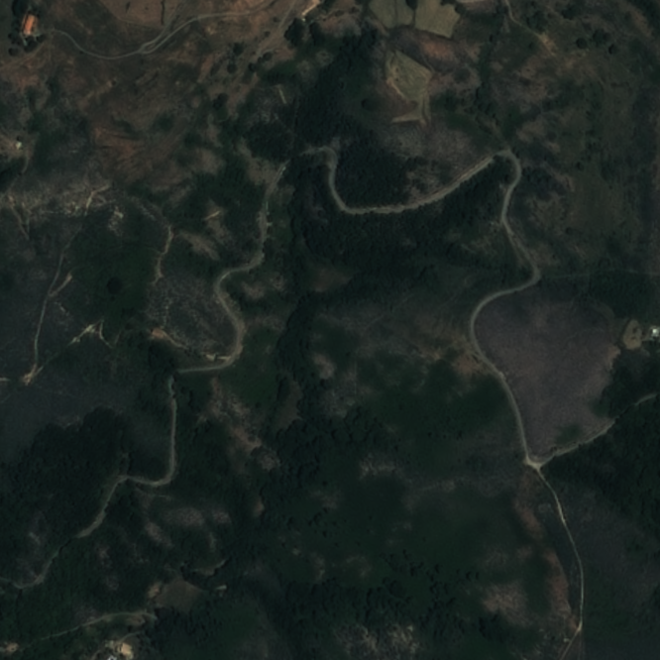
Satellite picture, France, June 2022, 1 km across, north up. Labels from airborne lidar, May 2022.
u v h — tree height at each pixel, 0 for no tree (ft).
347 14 0
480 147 0
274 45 0
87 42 0
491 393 0
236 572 38
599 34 31
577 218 0
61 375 0
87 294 0
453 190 23
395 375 0
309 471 49
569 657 0
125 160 0
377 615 31
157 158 0
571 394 0
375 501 0
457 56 0
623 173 0
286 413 0
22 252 0
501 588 0
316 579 0
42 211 0
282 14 0
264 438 22
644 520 26
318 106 56
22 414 0
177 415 20
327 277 0
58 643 29
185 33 0
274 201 0
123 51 0
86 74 0
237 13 0
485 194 27
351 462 0
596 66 0
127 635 0
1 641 37
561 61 0
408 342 0
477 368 0
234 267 37
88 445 60
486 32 0
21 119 0
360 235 48
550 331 0
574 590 0
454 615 35
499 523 0
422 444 0
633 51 0
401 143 0
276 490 67
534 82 0
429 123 0
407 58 0
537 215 0
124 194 0
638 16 0
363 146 39
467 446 0
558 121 0
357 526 0
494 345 0
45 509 35
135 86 0
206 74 0
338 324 0
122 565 30
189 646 0
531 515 0
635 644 0
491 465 0
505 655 0
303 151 34
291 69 0
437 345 0
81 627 33
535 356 0
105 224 0
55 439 63
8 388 0
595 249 0
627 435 51
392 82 0
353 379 0
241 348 0
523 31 0
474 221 29
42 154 0
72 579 51
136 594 24
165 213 23
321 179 51
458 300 0
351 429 50
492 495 0
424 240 43
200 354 32
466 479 0
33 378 0
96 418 56
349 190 29
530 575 0
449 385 0
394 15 0
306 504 0
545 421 0
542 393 0
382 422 28
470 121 0
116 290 49
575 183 0
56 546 43
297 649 22
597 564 0
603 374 0
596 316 0
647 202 0
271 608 23
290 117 53
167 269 0
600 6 0
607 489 49
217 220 0
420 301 0
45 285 0
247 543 64
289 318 33
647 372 21
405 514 0
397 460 21
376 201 42
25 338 0
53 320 0
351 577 0
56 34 0
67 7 0
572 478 26
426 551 0
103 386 0
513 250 0
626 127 0
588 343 0
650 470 43
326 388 48
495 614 34
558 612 0
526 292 0
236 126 37
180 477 23
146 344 28
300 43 41
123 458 29
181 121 0
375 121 0
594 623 0
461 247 35
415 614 36
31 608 55
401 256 71
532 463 0
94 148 0
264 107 0
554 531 0
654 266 0
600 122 0
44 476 57
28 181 0
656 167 0
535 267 0
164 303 0
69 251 0
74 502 52
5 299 0
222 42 0
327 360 0
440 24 0
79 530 50
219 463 62
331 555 0
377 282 50
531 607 0
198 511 0
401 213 24
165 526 23
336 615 31
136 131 0
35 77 0
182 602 0
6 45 0
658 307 0
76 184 0
